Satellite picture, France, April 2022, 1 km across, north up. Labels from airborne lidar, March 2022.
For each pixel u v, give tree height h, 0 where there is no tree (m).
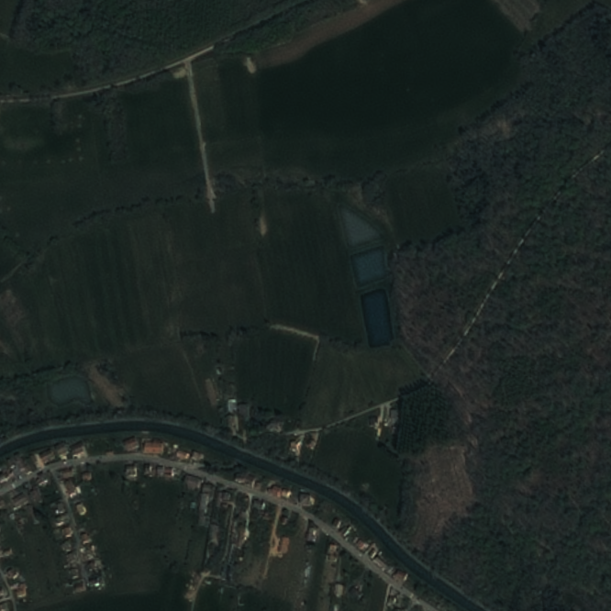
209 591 0
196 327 0
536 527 29
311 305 0
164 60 17
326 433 8
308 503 0
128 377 0
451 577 21
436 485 0
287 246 0
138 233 0
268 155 0
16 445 0
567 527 29
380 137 0
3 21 0
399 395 0
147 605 0
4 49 0
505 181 26
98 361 0
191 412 0
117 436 0
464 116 0
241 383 0
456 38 0
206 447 0
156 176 0
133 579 0
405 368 0
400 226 0
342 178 0
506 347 25
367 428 0
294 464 15
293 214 0
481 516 22
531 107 24
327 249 0
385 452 16
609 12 11
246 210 0
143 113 0
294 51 0
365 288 0
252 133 0
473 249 27
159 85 16
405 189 0
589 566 21
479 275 26
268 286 0
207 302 0
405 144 0
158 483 0
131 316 0
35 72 0
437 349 26
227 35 14
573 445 15
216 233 0
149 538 0
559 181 24
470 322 9
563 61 22
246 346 0
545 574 31
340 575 0
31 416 11
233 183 16
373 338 0
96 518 0
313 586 0
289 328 0
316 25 13
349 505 0
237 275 0
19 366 0
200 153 0
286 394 0
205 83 0
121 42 21
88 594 0
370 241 0
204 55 0
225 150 0
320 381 0
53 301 0
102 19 19
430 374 17
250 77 0
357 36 0
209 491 0
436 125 0
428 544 0
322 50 0
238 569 12
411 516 23
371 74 0
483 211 13
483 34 0
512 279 26
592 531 28
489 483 28
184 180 0
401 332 11
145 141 0
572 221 23
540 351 26
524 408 27
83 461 0
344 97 0
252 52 14
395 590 0
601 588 26
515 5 0
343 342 12
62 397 0
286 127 0
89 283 0
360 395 0
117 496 0
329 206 0
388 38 0
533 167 28
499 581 24
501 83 0
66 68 0
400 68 0
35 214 0
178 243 0
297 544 0
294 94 0
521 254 19
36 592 0
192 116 0
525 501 30
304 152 0
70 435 0
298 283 0
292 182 0
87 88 16
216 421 0
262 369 0
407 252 12
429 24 0
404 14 0
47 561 0
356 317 0
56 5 32
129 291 0
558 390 26
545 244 27
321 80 0
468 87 0
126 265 0
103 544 0
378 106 0
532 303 24
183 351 0
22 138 0
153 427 0
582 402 27
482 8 0
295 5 15
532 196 24
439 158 0
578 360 16
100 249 0
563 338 27
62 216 0
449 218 0
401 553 0
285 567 0
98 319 0
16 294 0
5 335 0
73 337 0
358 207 0
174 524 0
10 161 0
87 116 0
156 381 0
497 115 21
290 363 0
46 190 0
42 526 0
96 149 0
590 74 20
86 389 0
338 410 0
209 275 0
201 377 0
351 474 0
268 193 0
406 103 0
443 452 0
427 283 29
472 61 0
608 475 25
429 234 0
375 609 0
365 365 0
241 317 0
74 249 0
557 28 0
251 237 0
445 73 0
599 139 25
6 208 0
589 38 20
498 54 0
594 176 23
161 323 0
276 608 0
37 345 0
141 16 17
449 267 23
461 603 0
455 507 0
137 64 23
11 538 0
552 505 27
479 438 25
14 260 0
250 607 0
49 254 0
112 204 0
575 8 0
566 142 25
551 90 15
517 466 28
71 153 0
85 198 0
